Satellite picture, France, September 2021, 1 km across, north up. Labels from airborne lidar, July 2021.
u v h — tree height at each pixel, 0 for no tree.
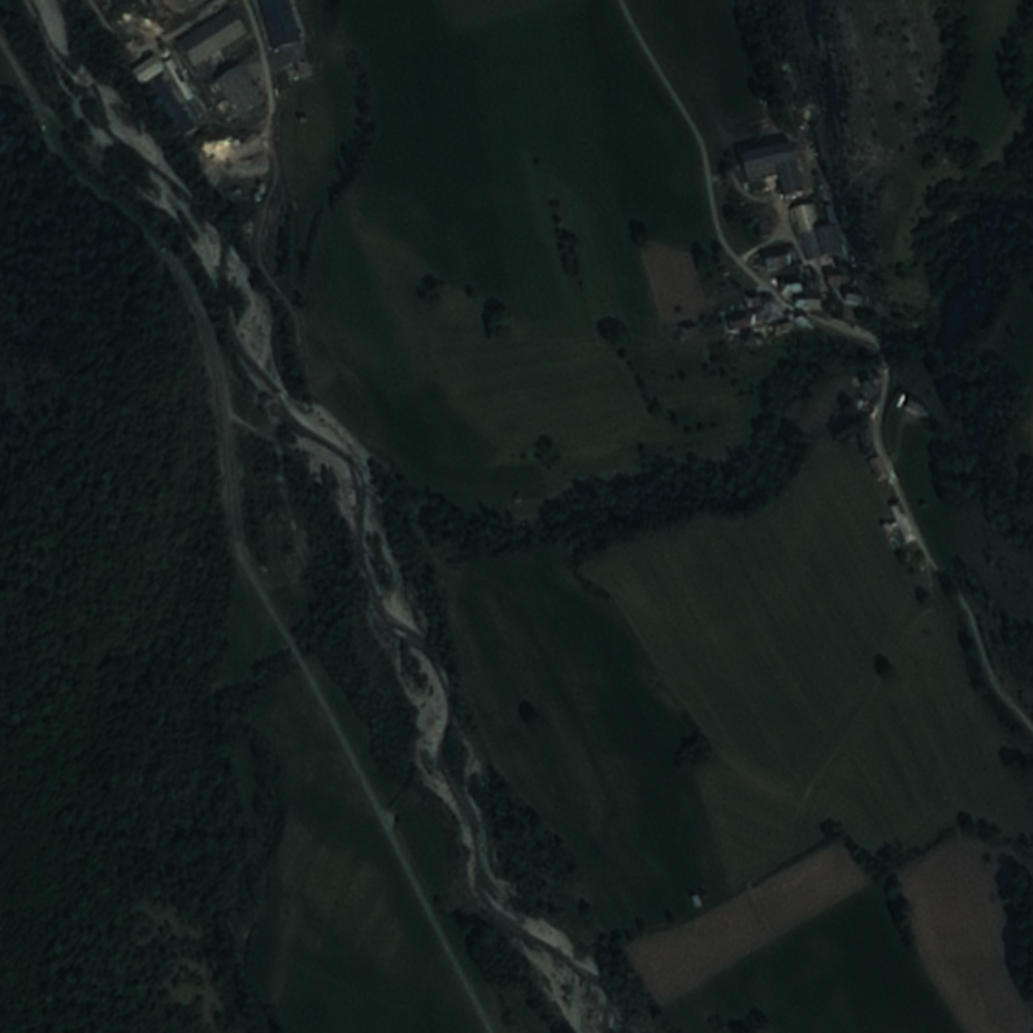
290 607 0
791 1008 0
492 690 0
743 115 0
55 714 25
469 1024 0
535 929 0
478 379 0
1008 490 26
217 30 0
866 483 0
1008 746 0
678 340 0
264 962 0
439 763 0
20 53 8
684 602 0
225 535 13
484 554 12
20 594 23
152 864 18
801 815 0
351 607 15
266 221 0
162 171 0
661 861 0
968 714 0
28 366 15
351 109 0
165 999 14
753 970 0
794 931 0
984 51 0
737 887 0
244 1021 18
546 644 0
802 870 0
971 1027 0
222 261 0
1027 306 0
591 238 0
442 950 0
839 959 0
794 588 0
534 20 0
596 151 0
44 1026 23
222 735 21
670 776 0
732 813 0
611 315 0
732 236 0
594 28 0
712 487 20
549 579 0
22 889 22
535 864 6
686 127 0
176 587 16
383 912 0
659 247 0
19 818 22
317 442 0
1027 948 18
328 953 0
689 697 0
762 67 16
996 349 0
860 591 0
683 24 0
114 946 10
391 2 0
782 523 0
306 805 0
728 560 0
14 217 16
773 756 0
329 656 14
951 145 13
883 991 0
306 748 0
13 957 23
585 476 0
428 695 0
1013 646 17
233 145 0
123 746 32
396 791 0
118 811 17
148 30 0
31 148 19
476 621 0
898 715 0
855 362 16
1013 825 0
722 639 0
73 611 21
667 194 0
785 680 0
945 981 0
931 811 0
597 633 0
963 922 0
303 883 0
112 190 15
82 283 19
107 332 22
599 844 0
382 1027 0
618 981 15
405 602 0
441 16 0
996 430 26
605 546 14
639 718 0
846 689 0
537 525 6
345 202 0
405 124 0
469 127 0
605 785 0
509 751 0
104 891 22
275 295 8
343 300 0
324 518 9
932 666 0
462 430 0
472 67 0
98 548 18
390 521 9
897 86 0
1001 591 0
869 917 0
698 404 0
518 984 15
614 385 0
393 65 0
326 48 0
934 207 10
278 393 0
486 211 0
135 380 15
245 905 17
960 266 30
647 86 0
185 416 11
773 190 0
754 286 0
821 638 0
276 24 0
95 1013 26
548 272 0
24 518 17
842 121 9
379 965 0
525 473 0
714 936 0
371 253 0
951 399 22
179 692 11
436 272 0
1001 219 30
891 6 0
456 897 0
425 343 0
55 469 20
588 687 0
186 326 14
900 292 0
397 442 0
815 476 0
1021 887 26
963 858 0
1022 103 15
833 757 0
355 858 0
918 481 0
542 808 0
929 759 0
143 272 19
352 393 0
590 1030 0
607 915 0
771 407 22
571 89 0
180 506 9
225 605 21
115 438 21
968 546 0
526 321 0
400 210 0
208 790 15
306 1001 0
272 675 15
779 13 8
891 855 10
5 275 22
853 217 12
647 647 0
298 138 0
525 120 0
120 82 8
